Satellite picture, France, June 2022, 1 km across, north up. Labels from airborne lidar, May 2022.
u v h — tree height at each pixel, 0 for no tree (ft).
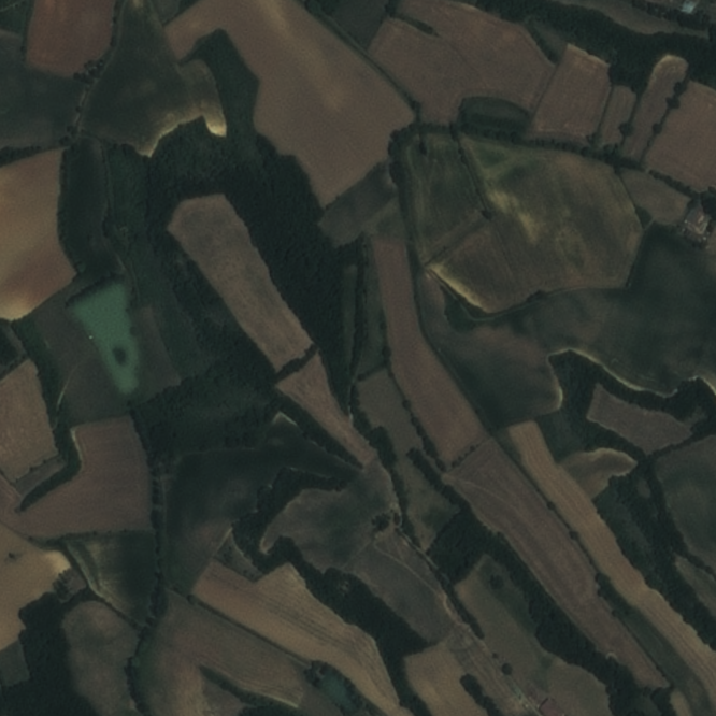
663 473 0
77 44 0
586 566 0
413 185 0
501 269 0
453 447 0
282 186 57
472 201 0
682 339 0
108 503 0
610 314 0
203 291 46
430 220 0
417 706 52
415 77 0
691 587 31
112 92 0
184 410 27
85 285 0
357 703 73
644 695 39
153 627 76
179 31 0
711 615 29
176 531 0
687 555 30
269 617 0
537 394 0
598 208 0
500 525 0
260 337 0
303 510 0
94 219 0
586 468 0
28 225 0
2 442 0
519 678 0
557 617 63
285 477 51
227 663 0
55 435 25
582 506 0
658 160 0
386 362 31
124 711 0
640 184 0
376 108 0
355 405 37
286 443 0
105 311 0
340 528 0
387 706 0
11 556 31
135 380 0
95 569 0
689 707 0
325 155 0
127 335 0
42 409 0
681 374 0
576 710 0
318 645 0
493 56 0
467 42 0
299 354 0
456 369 0
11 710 50
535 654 0
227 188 55
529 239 0
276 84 0
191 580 0
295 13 0
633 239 0
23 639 46
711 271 0
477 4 26
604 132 0
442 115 0
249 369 62
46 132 0
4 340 41
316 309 67
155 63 0
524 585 47
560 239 0
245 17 0
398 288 0
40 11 0
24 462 0
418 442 0
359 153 0
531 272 0
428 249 0
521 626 0
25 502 33
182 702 0
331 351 52
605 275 0
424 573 0
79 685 0
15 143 0
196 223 0
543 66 0
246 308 0
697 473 0
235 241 0
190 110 0
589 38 29
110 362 0
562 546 0
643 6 33
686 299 0
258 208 69
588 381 33
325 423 0
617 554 0
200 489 0
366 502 0
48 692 53
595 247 0
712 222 29
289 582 0
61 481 36
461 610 30
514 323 0
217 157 25
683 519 0
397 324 0
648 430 0
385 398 0
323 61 0
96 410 0
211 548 0
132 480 0
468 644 0
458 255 0
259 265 0
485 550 44
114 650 0
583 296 0
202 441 21
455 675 0
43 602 36
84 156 0
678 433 0
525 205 0
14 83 0
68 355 0
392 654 49
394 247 0
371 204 0
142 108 0
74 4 0
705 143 0
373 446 29
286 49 0
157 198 55
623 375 0
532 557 0
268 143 52
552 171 0
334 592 43
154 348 0
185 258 26
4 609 0
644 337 0
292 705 0
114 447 0
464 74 0
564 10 43
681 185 28
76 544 0
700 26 48
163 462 80
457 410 0
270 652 0
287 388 0
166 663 0
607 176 0
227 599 0
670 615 0
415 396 0
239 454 0
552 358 23
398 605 0
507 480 0
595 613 0
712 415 41
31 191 0
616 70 51
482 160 0
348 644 0
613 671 48
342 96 0
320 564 0
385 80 0
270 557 28
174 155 34
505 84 0
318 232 62
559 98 0
